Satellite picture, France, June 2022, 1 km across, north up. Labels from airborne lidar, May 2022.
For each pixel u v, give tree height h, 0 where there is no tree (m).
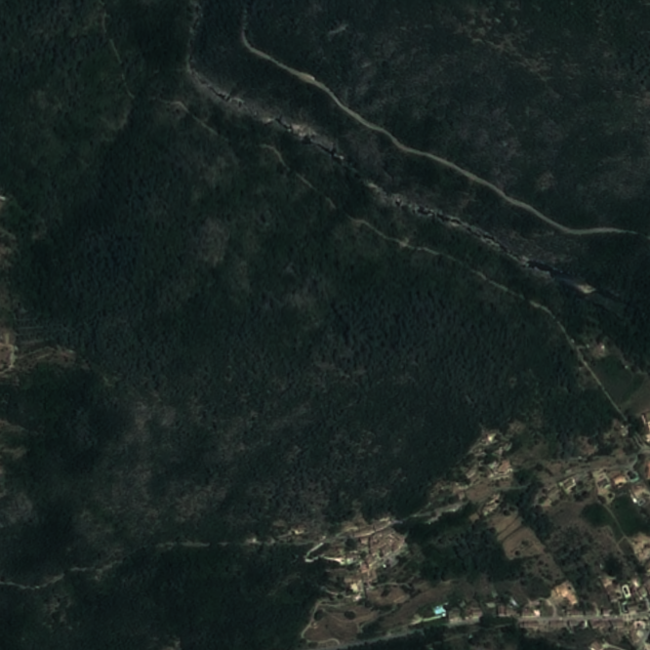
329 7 6
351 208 13
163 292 17
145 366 22
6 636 10
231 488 7
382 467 10
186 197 11
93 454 16
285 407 8
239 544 8
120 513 9
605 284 7
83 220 19
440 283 8
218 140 7
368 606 10
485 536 17
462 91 13
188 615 12
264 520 7
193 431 6
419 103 10
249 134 11
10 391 8
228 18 10
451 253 9
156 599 9
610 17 9
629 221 12
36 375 7
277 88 7
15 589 13
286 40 8
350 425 11
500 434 6
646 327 16
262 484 8
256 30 9
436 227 7
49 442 11
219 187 10
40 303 12
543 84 8
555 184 7
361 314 22
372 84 18
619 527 0
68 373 9
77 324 13
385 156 10
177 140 10
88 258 15
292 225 7
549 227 7
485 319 10
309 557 10
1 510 8
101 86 11
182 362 13
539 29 7
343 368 16
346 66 10
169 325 15
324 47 10
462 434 11
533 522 11
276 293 8
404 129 10
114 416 7
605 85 10
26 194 7
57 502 8
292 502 12
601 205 7
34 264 12
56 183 11
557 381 16
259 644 8
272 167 6
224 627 12
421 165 13
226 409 9
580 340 7
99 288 14
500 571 10
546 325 6
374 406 8
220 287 10
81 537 13
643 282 18
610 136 8
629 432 9
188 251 6
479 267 8
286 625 8
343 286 7
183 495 15
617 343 14
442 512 7
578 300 11
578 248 6
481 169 8
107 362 15
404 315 20
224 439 7
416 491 18
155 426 11
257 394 10
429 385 8
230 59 10
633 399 0
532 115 11
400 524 11
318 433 15
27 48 9
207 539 11
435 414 12
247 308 10
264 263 6
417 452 9
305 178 7
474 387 13
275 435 10
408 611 0
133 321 20
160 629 11
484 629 11
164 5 9
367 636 17
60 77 10
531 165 7
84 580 9
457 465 10
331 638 0
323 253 12
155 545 8
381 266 10
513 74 9
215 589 11
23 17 9
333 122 9
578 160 10
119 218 10
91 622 10
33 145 8
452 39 8
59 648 7
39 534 16
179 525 7
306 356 6
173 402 11
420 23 6
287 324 12
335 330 10
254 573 10
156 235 10
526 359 11
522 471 7
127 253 26
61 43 6
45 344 6
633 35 9
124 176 12
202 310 12
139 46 7
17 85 12
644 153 6
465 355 20
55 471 7
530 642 11
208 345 9
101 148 9
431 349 23
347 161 6
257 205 6
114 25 7
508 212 9
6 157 10
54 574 11
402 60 8
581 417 10
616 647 0
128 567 14
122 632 11
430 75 7
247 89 6
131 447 10
